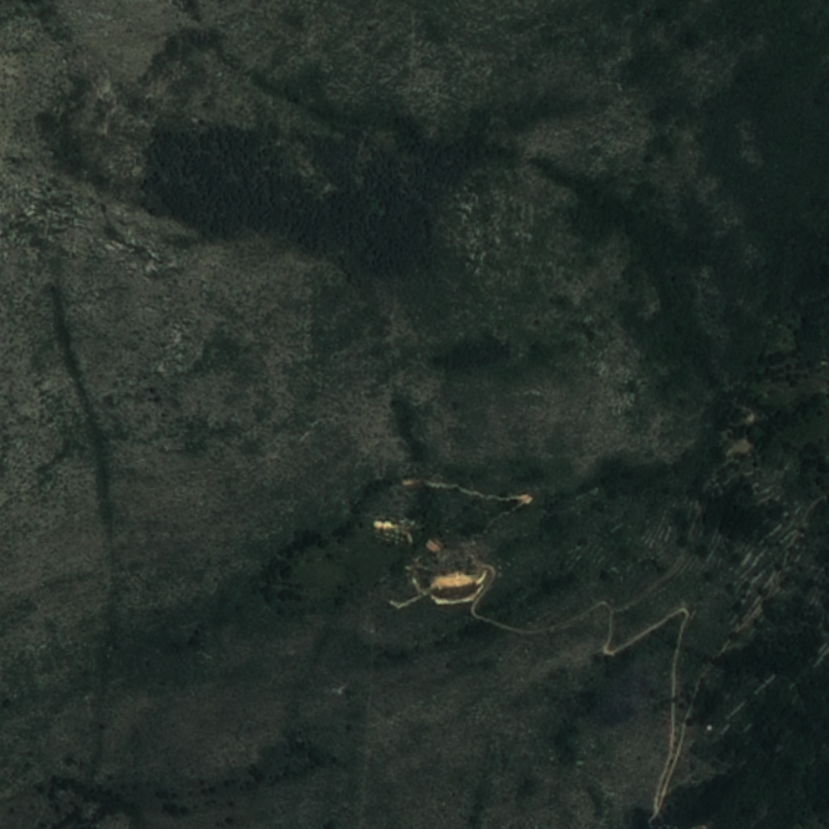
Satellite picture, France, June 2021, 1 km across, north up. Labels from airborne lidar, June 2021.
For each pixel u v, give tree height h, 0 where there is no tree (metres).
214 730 0
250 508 0
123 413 0
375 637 0
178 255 0
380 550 0
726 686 6
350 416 0
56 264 0
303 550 10
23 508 0
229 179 9
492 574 0
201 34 7
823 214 10
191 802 0
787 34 6
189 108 0
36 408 0
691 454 8
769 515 9
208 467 0
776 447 0
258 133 7
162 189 11
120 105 0
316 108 9
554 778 0
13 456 0
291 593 10
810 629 11
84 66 0
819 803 13
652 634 7
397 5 0
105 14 0
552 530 9
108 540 0
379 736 0
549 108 6
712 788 11
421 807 0
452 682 0
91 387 0
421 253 10
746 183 8
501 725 0
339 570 0
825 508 7
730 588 7
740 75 7
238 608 7
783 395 0
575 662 0
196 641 9
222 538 0
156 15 0
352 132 6
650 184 6
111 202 0
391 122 6
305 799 0
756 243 8
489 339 7
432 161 11
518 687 0
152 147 8
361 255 7
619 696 0
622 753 0
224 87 0
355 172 6
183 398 0
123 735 0
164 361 0
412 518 11
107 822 0
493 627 7
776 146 8
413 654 6
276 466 0
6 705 10
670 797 6
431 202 12
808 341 8
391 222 10
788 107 6
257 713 0
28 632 0
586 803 0
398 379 0
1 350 0
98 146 0
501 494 6
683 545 11
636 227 7
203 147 7
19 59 0
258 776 7
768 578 0
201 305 0
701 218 8
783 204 6
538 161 6
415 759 0
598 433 0
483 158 8
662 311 6
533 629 0
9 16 0
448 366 8
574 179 6
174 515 0
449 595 0
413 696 0
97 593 0
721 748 9
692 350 9
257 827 0
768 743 10
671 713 0
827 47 6
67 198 0
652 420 0
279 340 0
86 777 0
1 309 0
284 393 0
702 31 7
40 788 6
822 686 10
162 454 0
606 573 9
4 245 0
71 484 0
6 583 0
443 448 0
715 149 6
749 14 7
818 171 7
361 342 0
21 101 0
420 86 0
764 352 6
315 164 7
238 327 0
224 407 0
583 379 0
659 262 8
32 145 0
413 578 0
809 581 9
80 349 0
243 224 8
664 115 8
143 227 0
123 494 0
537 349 11
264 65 0
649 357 7
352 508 6
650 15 8
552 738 6
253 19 0
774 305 10
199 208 9
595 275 0
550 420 0
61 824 7
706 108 6
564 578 6
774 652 6
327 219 11
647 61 8
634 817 8
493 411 0
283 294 0
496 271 0
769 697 10
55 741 0
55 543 0
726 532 8
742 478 7
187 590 0
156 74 0
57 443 0
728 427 16
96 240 0
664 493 7
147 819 0
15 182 0
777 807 11
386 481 8
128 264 0
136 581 0
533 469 6
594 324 6
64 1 0
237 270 0
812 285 7
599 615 0
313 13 0
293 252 0
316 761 7
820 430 0
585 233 7
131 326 0
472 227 0
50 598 0
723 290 7
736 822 7
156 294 0
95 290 0
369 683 0
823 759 8
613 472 11
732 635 7
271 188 8
